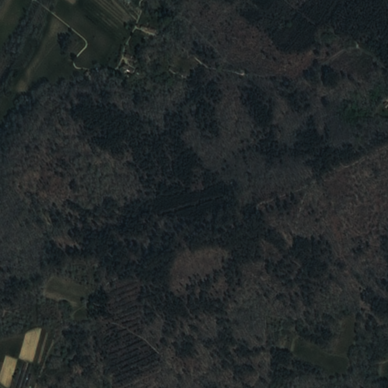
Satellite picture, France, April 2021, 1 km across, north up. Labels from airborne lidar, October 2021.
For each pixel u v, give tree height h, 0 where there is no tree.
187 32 8
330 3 15
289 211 20
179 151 17
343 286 19
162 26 13
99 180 9
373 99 16
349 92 19
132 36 10
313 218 14
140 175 19
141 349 8
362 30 23
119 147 19
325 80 24
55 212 12
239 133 17
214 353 15
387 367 0
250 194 7
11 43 10
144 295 20
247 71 9
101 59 0
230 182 10
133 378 7
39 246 16
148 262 27
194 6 12
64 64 0
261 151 13
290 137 8
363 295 23
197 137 16
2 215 21
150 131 6
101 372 21
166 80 14
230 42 10
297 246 21
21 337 0
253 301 12
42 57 0
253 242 24
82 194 7
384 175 7
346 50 9
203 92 16
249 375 18
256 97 16
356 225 8
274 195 10
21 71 0
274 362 16
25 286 26
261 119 16
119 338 8
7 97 28
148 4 18
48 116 7
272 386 10
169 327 19
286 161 7
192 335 19
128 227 20
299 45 14
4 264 14
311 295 20
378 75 22
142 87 9
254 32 6
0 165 20
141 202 12
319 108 11
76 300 0
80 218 12
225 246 28
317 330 8
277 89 12
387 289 27
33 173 14
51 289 0
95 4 0
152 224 22
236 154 7
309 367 16
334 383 21
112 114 21
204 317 12
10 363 0
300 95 12
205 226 5
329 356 0
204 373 17
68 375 6
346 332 0
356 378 23
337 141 11
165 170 15
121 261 26
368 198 10
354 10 19
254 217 23
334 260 19
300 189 6
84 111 23
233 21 8
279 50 15
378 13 23
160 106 8
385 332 20
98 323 7
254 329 16
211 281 23
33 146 17
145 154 18
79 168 14
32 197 24
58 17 0
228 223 29
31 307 8
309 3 18
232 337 22
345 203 11
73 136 7
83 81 23
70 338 26
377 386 20
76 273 8
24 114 28
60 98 8
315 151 17
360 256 13
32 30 21
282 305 16
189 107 9
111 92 12
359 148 12
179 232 10
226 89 7
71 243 12
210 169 7
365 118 13
